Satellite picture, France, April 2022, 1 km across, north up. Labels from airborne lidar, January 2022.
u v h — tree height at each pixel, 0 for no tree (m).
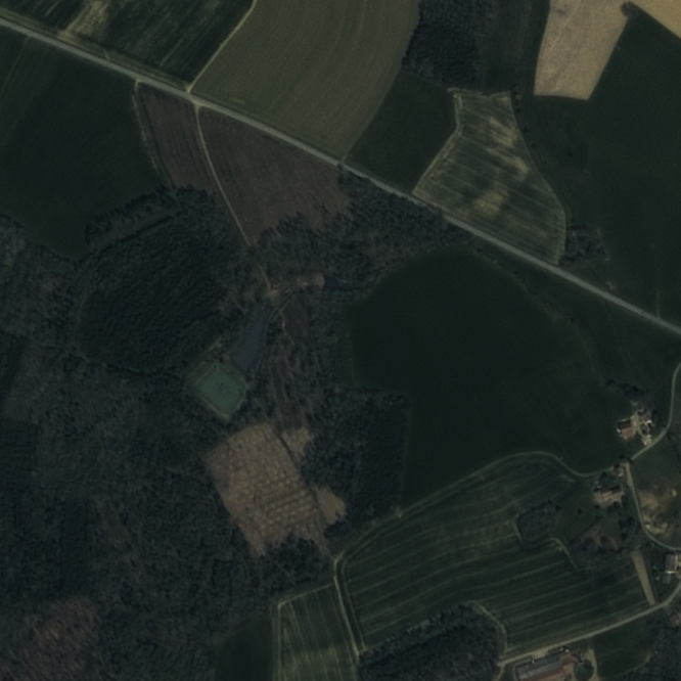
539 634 0
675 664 20
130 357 7
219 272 19
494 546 0
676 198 0
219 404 0
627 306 0
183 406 11
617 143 0
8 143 0
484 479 0
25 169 0
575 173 0
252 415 23
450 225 27
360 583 0
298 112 0
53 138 0
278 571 13
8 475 13
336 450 22
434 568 0
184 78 0
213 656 16
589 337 0
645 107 0
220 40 0
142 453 14
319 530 0
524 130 0
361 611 0
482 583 0
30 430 13
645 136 0
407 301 0
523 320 0
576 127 0
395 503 14
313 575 16
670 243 0
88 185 0
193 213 23
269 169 0
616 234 0
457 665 24
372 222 21
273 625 0
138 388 19
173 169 0
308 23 0
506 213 0
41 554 25
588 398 0
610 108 0
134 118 0
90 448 23
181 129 0
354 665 0
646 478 0
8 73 0
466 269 0
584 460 0
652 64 0
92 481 6
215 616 20
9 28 0
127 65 0
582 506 0
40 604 22
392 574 0
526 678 0
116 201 0
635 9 15
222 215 21
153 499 20
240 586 20
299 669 0
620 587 0
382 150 0
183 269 15
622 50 0
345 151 0
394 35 0
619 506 7
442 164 0
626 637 0
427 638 15
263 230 0
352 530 14
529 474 0
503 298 0
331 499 0
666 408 0
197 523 21
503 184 0
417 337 0
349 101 0
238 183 0
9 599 27
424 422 0
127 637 27
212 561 14
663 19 0
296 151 0
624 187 0
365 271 12
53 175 0
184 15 0
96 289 17
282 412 24
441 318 0
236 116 0
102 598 17
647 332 0
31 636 22
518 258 0
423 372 0
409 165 0
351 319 0
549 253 0
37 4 0
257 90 0
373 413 20
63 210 0
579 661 0
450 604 0
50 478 20
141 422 19
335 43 0
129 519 15
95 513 19
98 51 0
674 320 0
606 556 22
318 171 0
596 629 0
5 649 23
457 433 0
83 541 22
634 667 0
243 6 0
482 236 0
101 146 0
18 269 24
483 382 0
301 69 0
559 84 0
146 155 0
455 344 0
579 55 0
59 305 24
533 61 0
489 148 0
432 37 21
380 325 0
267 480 0
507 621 0
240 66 0
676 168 0
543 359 0
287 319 0
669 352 0
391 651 14
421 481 0
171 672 10
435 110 0
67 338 19
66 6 0
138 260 21
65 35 0
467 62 21
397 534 0
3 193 0
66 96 0
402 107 0
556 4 0
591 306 0
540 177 0
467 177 0
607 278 0
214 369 0
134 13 0
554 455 0
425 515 0
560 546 0
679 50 0
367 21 0
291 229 20
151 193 0
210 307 8
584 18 0
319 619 0
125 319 12
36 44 0
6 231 32
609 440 0
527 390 0
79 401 21
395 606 0
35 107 0
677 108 0
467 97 0
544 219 0
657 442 0
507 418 0
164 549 20
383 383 0
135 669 26
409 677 23
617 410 0
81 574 19
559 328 0
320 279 0
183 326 9
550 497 0
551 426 0
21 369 18
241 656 0
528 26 0
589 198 0
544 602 0
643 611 0
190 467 13
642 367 0
